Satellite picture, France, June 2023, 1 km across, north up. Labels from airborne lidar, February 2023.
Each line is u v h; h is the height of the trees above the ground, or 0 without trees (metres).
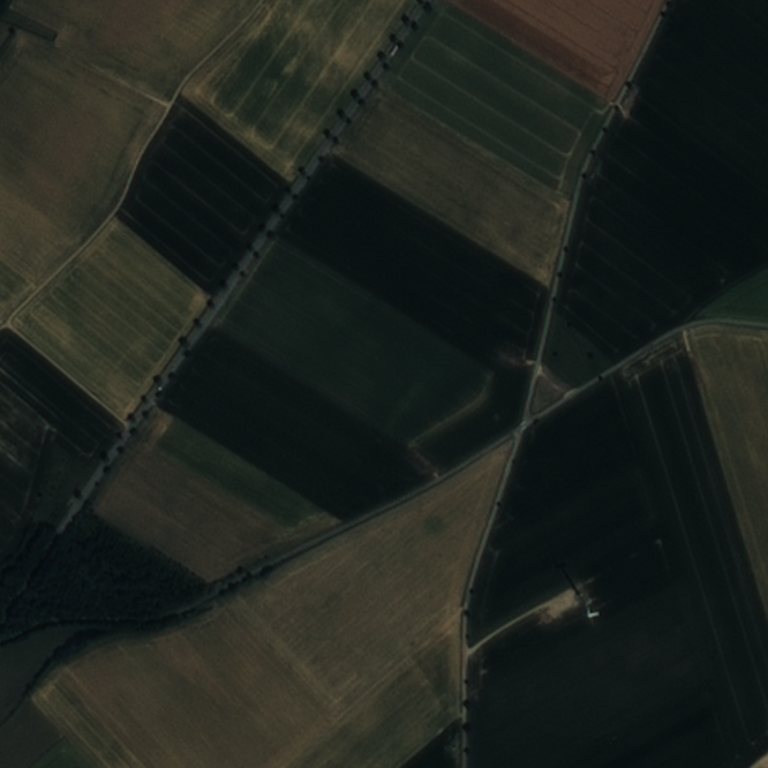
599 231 0
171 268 0
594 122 0
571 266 0
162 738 0
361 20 0
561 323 0
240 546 0
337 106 0
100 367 0
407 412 0
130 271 0
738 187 0
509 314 0
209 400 0
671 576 0
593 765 0
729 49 0
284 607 0
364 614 0
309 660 0
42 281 0
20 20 0
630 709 0
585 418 0
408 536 0
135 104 0
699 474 0
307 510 0
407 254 0
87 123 0
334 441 0
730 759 0
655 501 0
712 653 0
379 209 0
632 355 0
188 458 0
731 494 0
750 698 0
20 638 7
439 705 0
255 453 0
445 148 0
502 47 0
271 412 0
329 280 0
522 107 0
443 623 0
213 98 0
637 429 0
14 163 0
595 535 0
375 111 0
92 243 0
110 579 10
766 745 0
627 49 0
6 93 0
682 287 0
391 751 0
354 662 0
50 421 0
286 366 0
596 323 0
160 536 0
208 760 0
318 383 0
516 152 0
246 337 0
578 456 0
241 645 0
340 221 0
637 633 0
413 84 0
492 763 0
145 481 0
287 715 0
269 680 0
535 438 0
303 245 0
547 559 0
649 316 0
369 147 0
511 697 0
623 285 0
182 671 0
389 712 0
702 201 0
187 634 0
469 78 0
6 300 0
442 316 0
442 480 0
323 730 0
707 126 0
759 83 0
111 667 0
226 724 0
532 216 0
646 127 0
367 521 0
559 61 0
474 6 0
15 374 0
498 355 0
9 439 0
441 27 0
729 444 0
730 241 0
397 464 0
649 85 0
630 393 0
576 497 0
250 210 0
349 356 0
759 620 0
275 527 0
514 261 0
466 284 0
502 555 0
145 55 0
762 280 0
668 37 0
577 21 0
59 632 0
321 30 0
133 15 0
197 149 0
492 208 0
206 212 0
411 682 0
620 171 0
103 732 0
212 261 0
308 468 0
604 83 0
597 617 0
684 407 0
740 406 0
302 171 9
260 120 0
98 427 0
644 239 0
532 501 0
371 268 0
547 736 0
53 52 0
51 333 0
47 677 0
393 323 0
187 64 0
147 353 0
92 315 0
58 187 0
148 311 0
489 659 0
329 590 0
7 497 0
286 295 0
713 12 0
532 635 0
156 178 0
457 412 0
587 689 0
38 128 0
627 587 0
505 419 0
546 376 0
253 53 0
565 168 0
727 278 0
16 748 0
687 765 0
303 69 0
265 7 0
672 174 0
